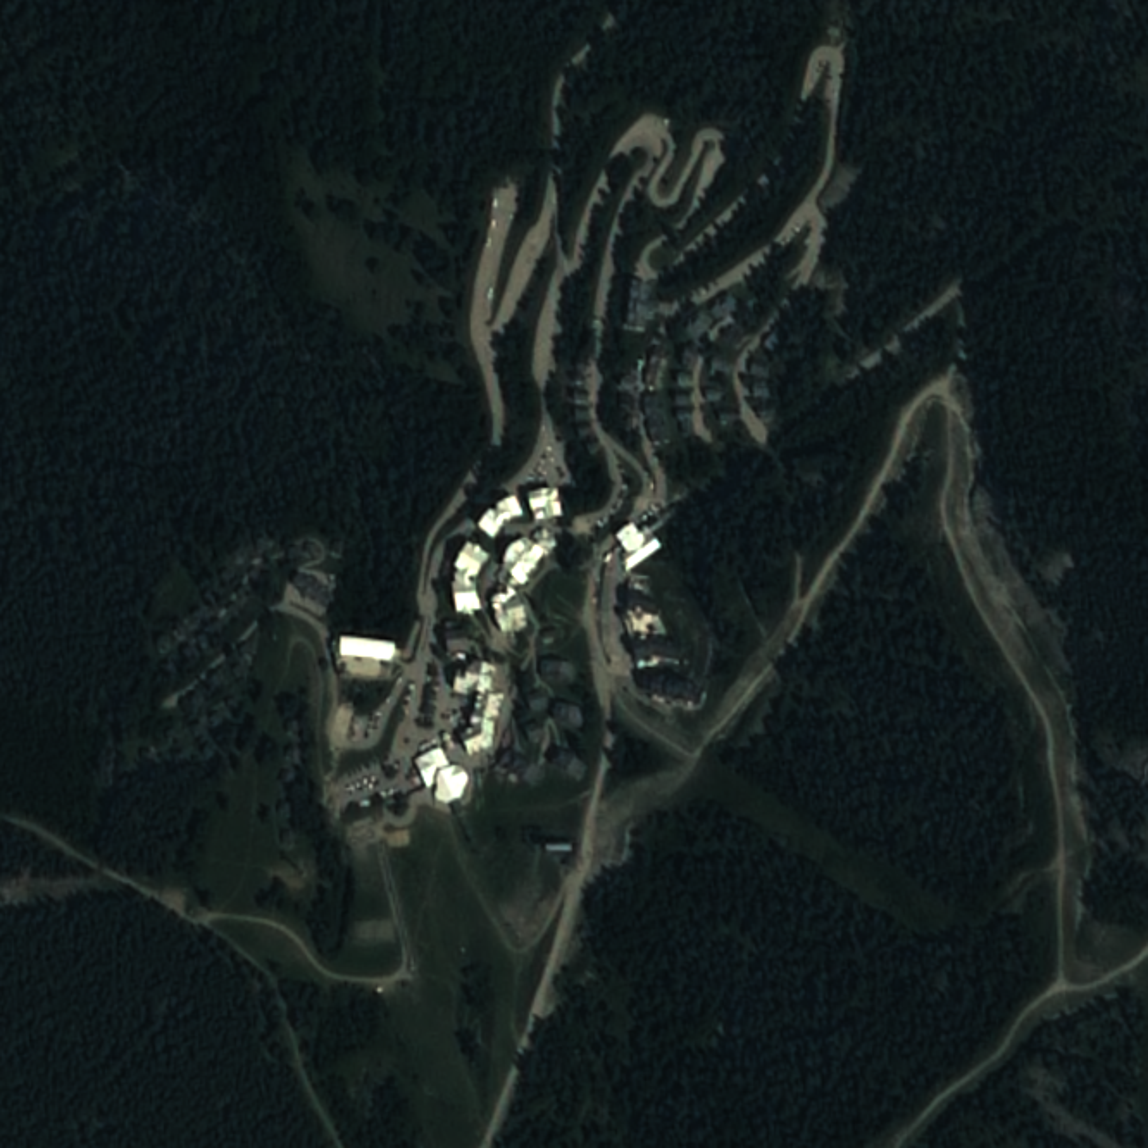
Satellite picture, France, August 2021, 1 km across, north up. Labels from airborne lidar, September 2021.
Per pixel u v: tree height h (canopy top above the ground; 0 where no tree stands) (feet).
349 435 38
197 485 85
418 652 0
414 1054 0
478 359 0
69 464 84
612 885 48
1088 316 34
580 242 0
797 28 34
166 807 87
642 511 0
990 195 46
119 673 74
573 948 0
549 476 0
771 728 34
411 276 0
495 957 0
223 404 74
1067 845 0
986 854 65
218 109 58
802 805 54
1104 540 49
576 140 41
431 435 63
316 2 60
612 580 0
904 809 62
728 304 0
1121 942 0
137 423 69
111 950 93
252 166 69
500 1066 0
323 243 0
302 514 48
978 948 33
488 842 0
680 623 0
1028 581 27
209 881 0
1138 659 29
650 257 0
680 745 0
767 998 52
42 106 90
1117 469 49
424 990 0
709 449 35
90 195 40
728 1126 55
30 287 104
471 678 0
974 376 60
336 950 28
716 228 0
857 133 57
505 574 0
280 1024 61
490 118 95
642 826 0
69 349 116
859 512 0
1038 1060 61
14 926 78
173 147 43
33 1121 92
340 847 46
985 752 29
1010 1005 32
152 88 89
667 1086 48
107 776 96
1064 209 34
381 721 0
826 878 21
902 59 45
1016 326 61
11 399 83
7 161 23
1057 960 0
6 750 26
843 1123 50
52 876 89
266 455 75
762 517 98
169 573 82
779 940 56
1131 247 37
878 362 0
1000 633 0
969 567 0
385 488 52
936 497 0
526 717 34
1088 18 26
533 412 39
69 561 104
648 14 43
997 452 42
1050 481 29
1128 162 40
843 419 38
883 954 65
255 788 0
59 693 76
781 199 41
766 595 86
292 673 0
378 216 0
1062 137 47
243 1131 94
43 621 80
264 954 0
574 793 0
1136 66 18
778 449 65
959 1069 31
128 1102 107
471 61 53
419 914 0
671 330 45
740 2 91
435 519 21
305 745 52
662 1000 19
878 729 60
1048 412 45
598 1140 39
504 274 0
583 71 22
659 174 0
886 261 52
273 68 59
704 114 27
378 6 58
